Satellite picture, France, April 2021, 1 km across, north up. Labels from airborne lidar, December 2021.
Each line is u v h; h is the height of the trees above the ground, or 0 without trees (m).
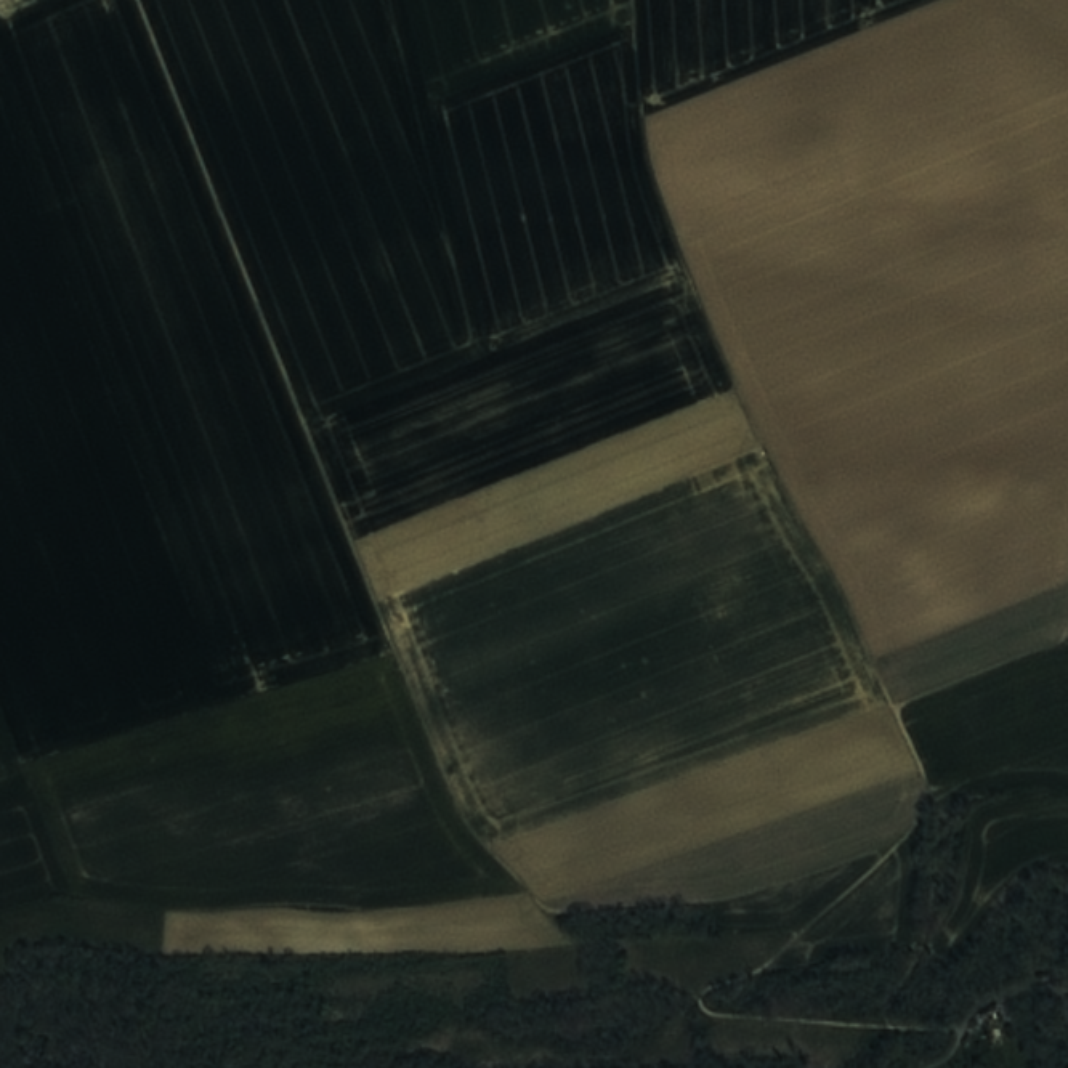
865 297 0
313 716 0
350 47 0
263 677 0
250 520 0
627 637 0
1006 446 0
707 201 0
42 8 0
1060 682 0
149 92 0
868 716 0
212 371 0
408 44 0
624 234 0
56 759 0
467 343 0
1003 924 18
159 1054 16
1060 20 0
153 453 0
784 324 0
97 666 0
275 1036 21
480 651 0
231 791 0
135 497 0
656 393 0
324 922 0
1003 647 0
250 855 0
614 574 0
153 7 0
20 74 0
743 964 0
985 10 0
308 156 0
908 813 0
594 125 0
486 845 0
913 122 0
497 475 0
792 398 0
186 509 0
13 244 0
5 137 0
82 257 0
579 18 0
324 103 0
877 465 0
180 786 0
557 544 0
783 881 0
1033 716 0
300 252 0
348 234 0
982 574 0
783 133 0
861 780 0
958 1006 19
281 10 0
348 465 0
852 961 16
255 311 0
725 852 0
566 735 0
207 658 0
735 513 0
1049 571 0
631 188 0
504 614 0
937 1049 13
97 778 0
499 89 0
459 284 0
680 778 0
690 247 0
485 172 0
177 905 0
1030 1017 11
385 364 0
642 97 0
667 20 0
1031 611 0
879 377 0
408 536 0
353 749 0
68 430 0
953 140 0
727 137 0
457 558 0
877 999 11
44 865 0
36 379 0
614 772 0
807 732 0
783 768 0
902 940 0
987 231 0
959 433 0
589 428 0
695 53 0
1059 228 0
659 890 0
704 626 0
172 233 0
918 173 0
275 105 0
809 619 0
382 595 0
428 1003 5
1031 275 0
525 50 0
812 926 0
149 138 0
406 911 0
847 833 0
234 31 0
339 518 0
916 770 0
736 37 0
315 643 0
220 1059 10
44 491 0
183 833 0
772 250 0
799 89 0
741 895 0
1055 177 0
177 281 0
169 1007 17
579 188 0
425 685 0
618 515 0
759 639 0
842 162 0
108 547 0
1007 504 0
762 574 0
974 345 0
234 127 0
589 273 0
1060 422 0
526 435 0
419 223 0
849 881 0
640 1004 28
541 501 0
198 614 0
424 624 0
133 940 0
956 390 0
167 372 0
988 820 0
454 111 0
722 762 0
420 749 0
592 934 17
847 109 0
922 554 0
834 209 0
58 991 19
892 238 0
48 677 0
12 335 0
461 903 0
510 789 0
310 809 0
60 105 0
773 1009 23
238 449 0
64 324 0
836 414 0
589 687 0
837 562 0
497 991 6
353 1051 7
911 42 0
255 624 0
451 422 0
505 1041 11
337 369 0
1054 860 0
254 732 0
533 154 0
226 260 0
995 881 0
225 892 0
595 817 0
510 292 0
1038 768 0
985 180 0
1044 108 0
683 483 0
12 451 0
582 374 0
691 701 0
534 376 0
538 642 0
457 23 0
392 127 0
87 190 0
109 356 0
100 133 0
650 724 0
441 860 0
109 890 0
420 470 0
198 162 0
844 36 0
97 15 0
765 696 0
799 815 0
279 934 0
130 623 0
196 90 0
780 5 0
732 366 0
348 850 0
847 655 0
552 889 0
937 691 0
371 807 0
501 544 0
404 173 0
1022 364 0
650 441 0
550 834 0
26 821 0
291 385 0
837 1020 8
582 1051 21
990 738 0
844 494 0
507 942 0
